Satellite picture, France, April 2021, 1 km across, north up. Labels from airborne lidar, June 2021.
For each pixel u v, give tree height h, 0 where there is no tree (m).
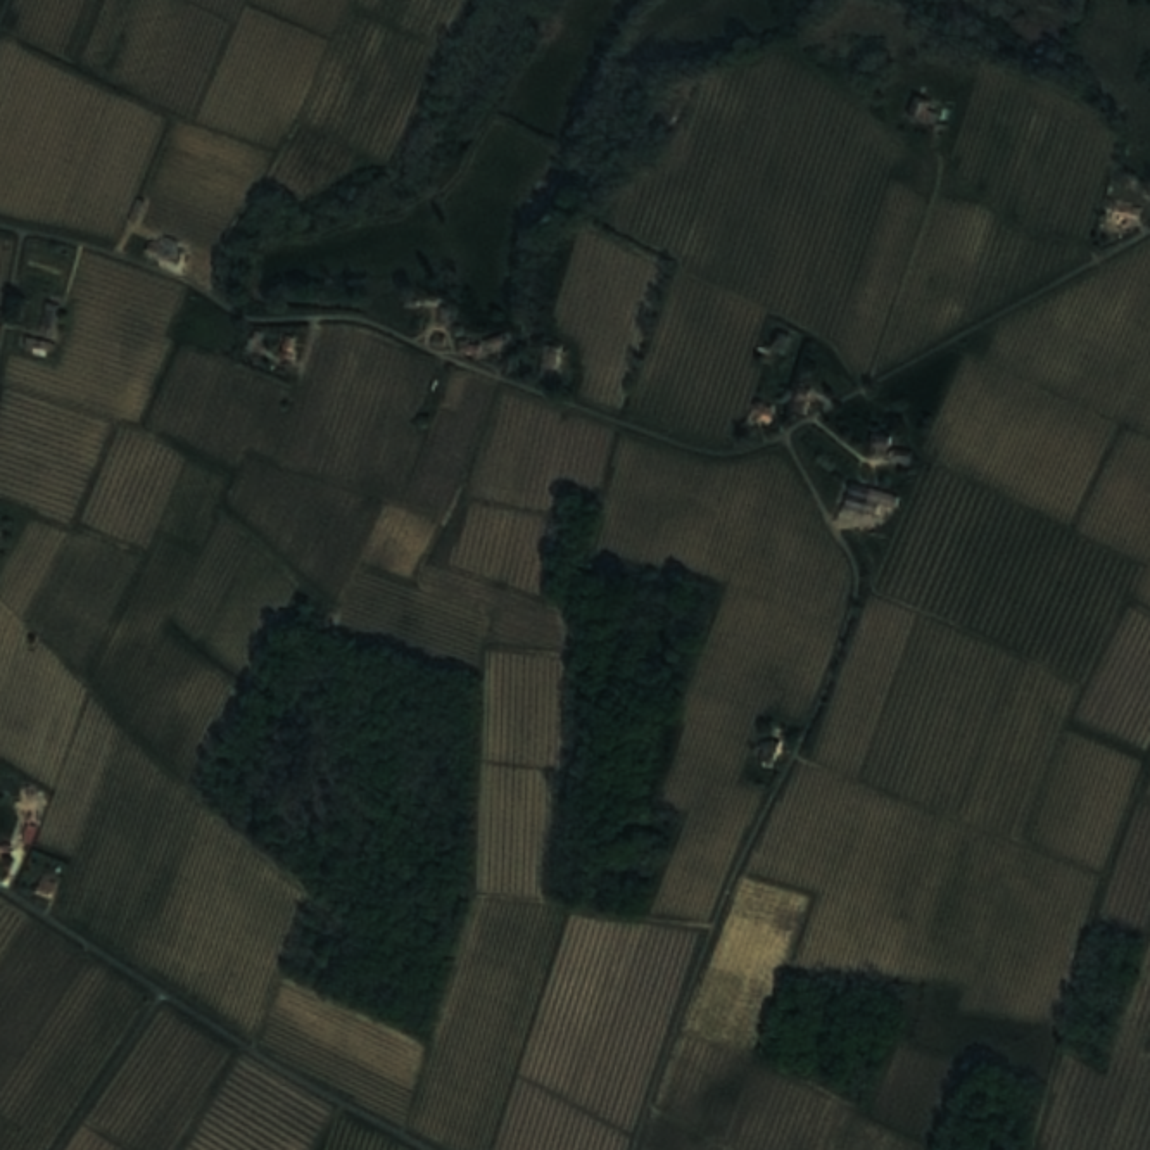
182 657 0
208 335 0
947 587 0
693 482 0
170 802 0
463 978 0
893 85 10
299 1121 0
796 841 0
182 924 0
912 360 0
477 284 0
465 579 0
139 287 0
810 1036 22
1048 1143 0
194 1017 0
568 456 0
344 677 22
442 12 0
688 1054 0
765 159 0
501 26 24
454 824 14
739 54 16
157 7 0
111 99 0
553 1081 0
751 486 0
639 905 21
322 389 0
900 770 0
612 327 0
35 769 0
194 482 0
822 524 0
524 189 0
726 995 0
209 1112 0
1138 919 0
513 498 0
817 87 0
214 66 0
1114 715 0
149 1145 0
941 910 0
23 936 0
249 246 24
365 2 0
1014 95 0
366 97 0
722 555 0
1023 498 0
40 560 0
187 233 0
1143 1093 0
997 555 0
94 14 0
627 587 31
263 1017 0
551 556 17
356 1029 0
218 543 0
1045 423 0
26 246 0
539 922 0
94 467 0
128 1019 0
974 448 0
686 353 0
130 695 0
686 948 0
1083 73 19
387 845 15
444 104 19
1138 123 0
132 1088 0
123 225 0
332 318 0
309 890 13
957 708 0
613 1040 0
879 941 0
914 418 0
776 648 0
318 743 25
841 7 15
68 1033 0
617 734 23
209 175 0
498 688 0
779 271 0
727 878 0
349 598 0
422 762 20
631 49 17
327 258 0
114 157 0
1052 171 0
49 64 0
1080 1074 0
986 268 0
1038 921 0
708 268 0
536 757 0
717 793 0
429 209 0
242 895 0
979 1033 0
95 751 0
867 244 0
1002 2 24
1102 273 0
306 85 0
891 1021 24
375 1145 0
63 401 0
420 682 20
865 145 0
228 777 16
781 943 0
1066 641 0
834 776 0
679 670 18
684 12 0
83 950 0
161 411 0
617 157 20
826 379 0
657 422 0
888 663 0
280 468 0
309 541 0
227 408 0
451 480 0
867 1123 0
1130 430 0
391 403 0
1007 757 0
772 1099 0
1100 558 0
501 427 0
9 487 0
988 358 0
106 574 0
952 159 0
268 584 0
